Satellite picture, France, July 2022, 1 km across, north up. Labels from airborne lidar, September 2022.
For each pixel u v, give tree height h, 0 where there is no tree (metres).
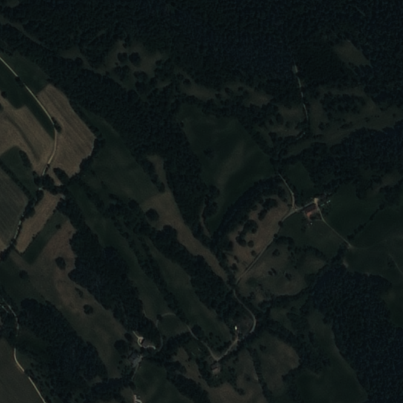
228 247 8
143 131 23
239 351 5
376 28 30
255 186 10
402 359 32
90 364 30
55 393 21
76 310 0
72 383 19
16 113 0
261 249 0
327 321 18
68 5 27
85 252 13
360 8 18
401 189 14
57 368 22
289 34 25
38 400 0
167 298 22
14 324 21
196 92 0
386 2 28
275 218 0
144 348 19
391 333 28
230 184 0
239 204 17
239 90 6
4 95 15
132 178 0
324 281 27
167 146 24
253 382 0
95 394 29
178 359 0
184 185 27
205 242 26
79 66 16
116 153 0
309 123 12
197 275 21
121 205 15
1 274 0
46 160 0
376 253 0
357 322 7
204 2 26
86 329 0
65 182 13
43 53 18
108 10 14
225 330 0
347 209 0
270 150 13
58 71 15
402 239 0
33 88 0
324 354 7
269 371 0
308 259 0
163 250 18
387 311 20
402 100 26
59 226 12
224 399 0
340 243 0
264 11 28
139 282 0
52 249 0
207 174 0
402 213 0
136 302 30
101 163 0
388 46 13
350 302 16
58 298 0
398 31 12
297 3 31
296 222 0
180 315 14
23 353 18
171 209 0
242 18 29
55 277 0
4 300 16
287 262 0
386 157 24
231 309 23
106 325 0
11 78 0
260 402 0
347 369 0
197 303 0
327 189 17
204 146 0
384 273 0
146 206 0
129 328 21
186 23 27
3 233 0
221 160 0
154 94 15
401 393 29
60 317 28
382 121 0
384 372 26
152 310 0
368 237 0
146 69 0
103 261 34
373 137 23
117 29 14
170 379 14
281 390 0
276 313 0
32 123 0
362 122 0
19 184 11
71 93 18
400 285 0
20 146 0
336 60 10
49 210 0
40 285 0
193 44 14
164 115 20
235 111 17
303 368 18
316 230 0
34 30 18
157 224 0
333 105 17
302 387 0
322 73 13
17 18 15
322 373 0
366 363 27
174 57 9
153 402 0
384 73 16
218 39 29
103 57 15
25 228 0
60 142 0
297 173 0
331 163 24
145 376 0
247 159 0
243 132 0
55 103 0
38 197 13
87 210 0
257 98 0
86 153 0
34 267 0
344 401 0
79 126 0
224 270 8
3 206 0
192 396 23
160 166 0
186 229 0
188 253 27
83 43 16
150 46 9
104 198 0
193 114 0
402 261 0
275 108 11
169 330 0
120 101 21
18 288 0
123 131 19
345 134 0
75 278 21
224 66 14
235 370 11
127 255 0
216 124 0
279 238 9
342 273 26
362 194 8
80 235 19
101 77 19
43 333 11
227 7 19
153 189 0
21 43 17
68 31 13
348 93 0
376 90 29
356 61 0
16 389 0
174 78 13
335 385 0
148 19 26
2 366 0
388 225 0
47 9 20
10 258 0
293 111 0
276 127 0
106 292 16
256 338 22
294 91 7
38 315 23
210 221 0
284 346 0
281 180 15
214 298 23
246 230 6
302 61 17
